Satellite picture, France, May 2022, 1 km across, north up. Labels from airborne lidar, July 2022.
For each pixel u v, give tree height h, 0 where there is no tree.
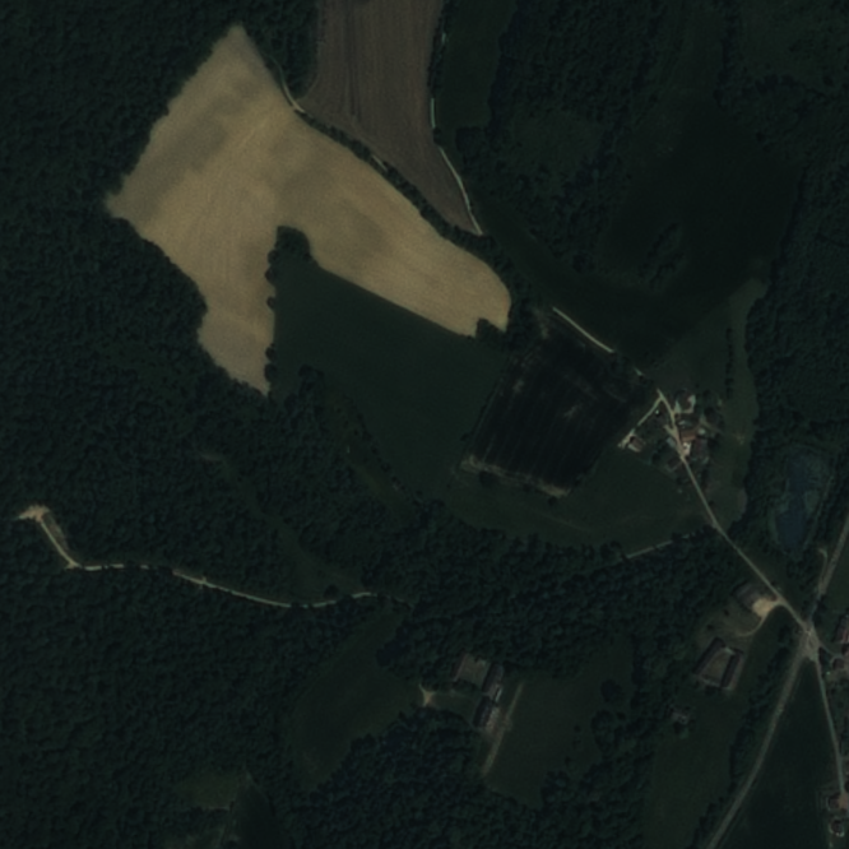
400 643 18
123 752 20
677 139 0
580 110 12
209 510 24
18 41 26
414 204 10
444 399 0
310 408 14
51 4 26
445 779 31
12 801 33
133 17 28
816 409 20
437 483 0
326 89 0
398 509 0
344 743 0
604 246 0
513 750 0
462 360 0
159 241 0
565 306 0
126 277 26
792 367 28
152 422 22
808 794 0
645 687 27
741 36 19
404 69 0
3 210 29
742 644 0
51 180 24
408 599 17
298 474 8
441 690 18
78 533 28
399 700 0
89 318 28
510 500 0
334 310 0
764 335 22
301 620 22
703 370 0
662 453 12
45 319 21
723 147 0
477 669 0
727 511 0
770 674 15
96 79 24
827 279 25
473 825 29
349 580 0
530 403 0
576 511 0
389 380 0
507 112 24
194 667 24
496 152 25
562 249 20
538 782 0
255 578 24
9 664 29
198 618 26
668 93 0
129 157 29
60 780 25
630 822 23
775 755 0
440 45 11
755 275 0
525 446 0
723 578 11
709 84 0
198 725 10
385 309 0
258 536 26
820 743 0
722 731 0
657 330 0
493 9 0
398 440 0
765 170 0
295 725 0
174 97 13
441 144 16
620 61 19
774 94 29
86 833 26
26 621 22
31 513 0
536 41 28
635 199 0
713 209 0
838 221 9
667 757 0
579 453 0
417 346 0
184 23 15
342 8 0
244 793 0
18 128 17
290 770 24
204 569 21
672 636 27
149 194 0
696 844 8
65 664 25
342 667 0
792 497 0
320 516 24
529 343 20
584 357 0
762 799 0
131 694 16
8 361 24
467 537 25
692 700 0
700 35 0
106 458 26
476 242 17
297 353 0
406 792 42
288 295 0
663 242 16
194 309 18
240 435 21
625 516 0
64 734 23
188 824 18
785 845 0
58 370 28
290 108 0
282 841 0
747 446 0
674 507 0
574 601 34
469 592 26
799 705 0
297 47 22
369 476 0
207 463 10
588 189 29
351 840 28
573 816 28
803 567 11
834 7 8
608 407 0
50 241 18
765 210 0
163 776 15
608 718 20
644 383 12
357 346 0
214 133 0
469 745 27
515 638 26
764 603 0
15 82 20
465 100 0
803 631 0
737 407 0
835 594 0
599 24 11
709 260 0
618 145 29
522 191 33
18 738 24
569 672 18
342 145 9
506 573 24
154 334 32
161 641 20
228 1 19
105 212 24
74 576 9
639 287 0
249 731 30
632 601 23
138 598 11
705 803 0
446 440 0
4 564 19
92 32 21
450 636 32
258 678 24
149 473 21
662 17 23
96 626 26
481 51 0
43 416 24
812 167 10
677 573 31
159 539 18
